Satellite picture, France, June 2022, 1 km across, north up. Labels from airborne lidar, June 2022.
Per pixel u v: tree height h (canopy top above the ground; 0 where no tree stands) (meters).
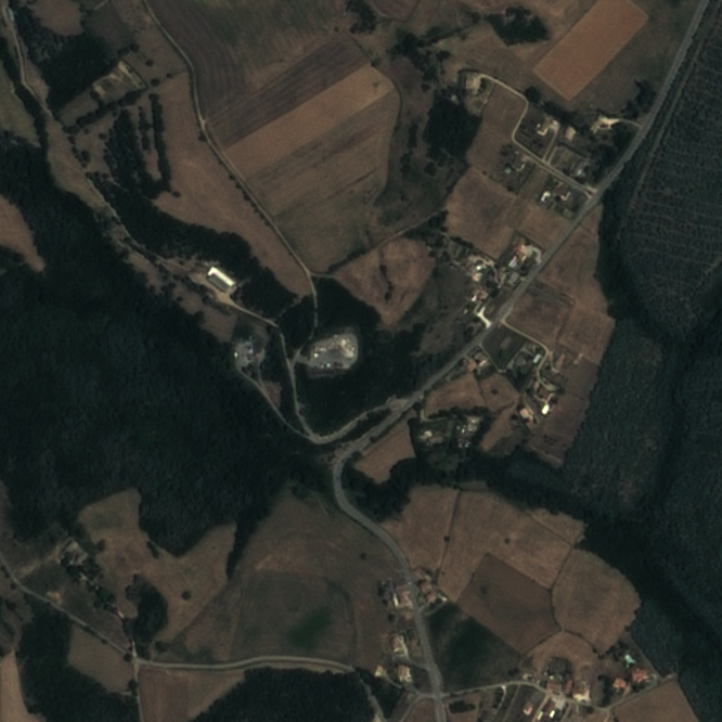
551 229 0
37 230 16
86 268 7
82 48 8
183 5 0
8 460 11
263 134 0
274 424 14
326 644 0
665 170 10
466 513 0
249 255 9
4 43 17
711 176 12
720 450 12
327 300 6
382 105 0
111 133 8
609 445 6
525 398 0
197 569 0
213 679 0
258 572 0
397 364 6
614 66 0
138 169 13
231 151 0
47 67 9
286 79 0
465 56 0
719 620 13
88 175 10
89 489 17
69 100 8
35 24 16
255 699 7
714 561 8
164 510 15
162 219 13
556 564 0
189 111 0
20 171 17
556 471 6
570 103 0
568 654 0
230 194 0
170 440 9
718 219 13
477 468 12
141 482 19
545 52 0
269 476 20
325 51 0
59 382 9
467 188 0
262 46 0
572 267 0
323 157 0
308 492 18
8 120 0
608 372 8
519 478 14
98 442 15
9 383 11
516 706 0
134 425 10
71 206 20
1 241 0
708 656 15
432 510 0
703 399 9
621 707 0
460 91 14
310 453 6
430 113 8
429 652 0
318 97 0
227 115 0
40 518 12
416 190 0
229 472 10
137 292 13
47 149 13
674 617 10
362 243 0
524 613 0
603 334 0
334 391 7
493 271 7
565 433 0
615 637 0
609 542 10
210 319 0
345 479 19
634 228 7
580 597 0
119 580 0
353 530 0
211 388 22
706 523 7
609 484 8
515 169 6
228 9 0
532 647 0
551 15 0
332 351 0
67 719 12
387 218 0
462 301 0
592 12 0
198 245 10
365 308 8
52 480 18
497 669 0
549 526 0
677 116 8
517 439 0
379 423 10
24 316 13
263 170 0
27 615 0
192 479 17
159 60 0
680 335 11
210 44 0
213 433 15
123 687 0
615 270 12
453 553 0
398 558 0
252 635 0
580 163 0
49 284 6
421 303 0
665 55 0
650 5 0
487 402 0
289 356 8
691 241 11
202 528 17
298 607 0
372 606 0
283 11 0
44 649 9
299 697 7
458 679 0
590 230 0
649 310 14
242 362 0
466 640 0
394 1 0
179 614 0
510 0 0
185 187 0
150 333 15
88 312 23
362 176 0
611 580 0
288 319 8
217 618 0
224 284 0
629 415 9
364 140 0
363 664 0
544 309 0
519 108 0
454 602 0
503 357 10
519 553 0
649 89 26
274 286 9
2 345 15
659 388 12
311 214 0
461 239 8
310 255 0
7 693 0
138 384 15
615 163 12
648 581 13
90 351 12
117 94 0
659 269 8
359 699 13
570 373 0
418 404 12
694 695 9
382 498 18
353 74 0
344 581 0
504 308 0
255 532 17
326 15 0
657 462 9
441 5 0
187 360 23
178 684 0
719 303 16
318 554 0
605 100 0
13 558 0
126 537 0
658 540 7
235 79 0
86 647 0
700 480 7
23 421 13
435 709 0
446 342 0
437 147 8
